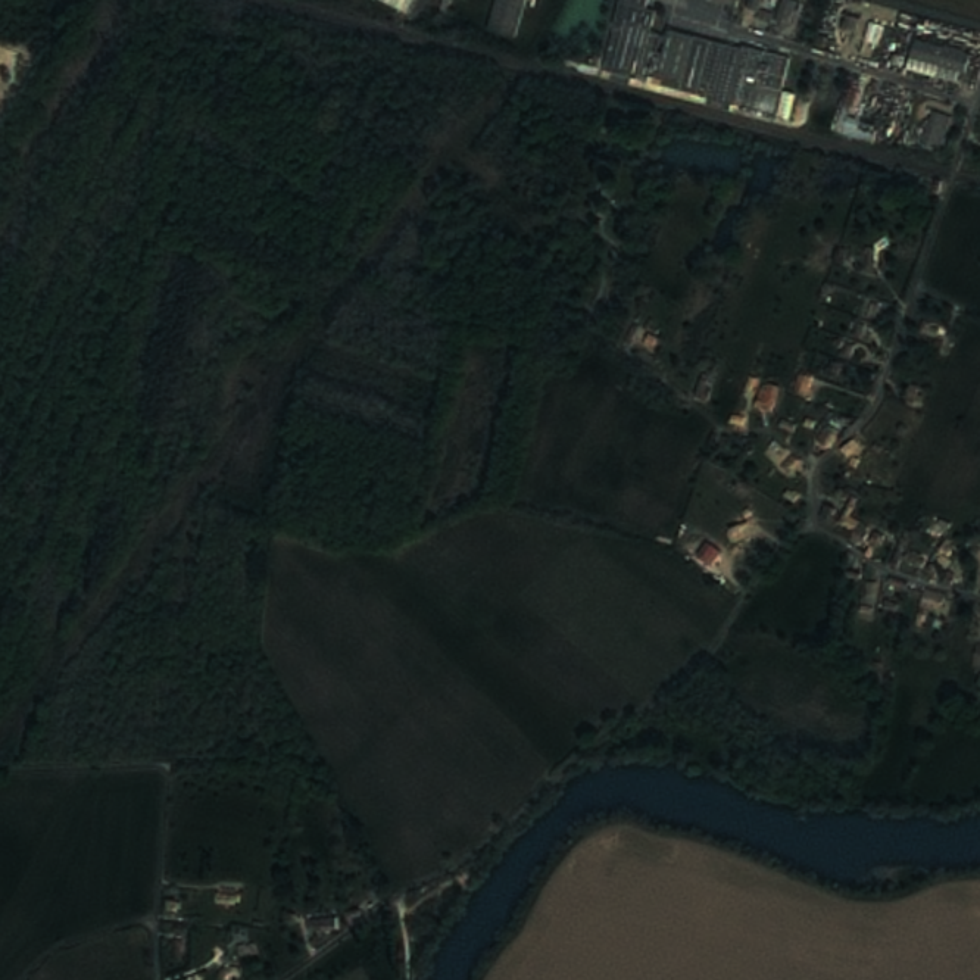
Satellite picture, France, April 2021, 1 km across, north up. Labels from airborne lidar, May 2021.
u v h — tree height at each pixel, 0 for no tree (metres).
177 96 20
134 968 0
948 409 0
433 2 0
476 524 0
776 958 0
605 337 13
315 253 24
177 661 12
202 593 10
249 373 0
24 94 16
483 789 0
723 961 0
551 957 0
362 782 0
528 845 0
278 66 21
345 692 0
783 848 0
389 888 20
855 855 0
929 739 19
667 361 0
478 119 0
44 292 11
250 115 22
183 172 23
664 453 0
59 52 21
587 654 0
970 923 0
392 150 21
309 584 0
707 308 0
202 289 20
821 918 0
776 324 0
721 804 0
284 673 0
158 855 0
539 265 21
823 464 0
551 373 10
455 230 17
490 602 0
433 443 17
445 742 0
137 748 11
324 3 0
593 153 15
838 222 0
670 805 0
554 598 0
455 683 0
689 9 0
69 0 8
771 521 0
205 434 14
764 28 0
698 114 0
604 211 16
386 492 21
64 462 19
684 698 19
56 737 8
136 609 10
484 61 11
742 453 10
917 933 0
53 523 19
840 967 0
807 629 0
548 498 0
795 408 0
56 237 20
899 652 13
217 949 0
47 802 0
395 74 24
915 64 0
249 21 13
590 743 14
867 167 15
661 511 0
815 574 0
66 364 17
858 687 24
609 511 0
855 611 15
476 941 0
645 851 0
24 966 0
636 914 0
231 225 26
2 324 20
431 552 0
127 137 21
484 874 10
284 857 8
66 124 13
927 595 0
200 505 10
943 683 0
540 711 0
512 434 22
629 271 15
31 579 18
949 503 0
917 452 0
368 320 23
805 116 0
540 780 0
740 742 8
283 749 14
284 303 18
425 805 0
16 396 16
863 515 6
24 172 17
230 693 11
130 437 12
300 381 14
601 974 0
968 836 0
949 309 7
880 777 0
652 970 0
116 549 15
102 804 0
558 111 20
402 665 0
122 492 11
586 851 0
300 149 24
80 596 10
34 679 7
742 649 10
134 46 20
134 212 19
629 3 0
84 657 7
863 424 0
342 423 24
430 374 22
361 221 16
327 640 0
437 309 19
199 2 12
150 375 20
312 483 21
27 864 0
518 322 23
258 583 16
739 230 9
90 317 21
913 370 12
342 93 22
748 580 14
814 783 20
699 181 13
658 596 0
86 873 0
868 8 0
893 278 9
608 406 0
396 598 0
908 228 14
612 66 0
